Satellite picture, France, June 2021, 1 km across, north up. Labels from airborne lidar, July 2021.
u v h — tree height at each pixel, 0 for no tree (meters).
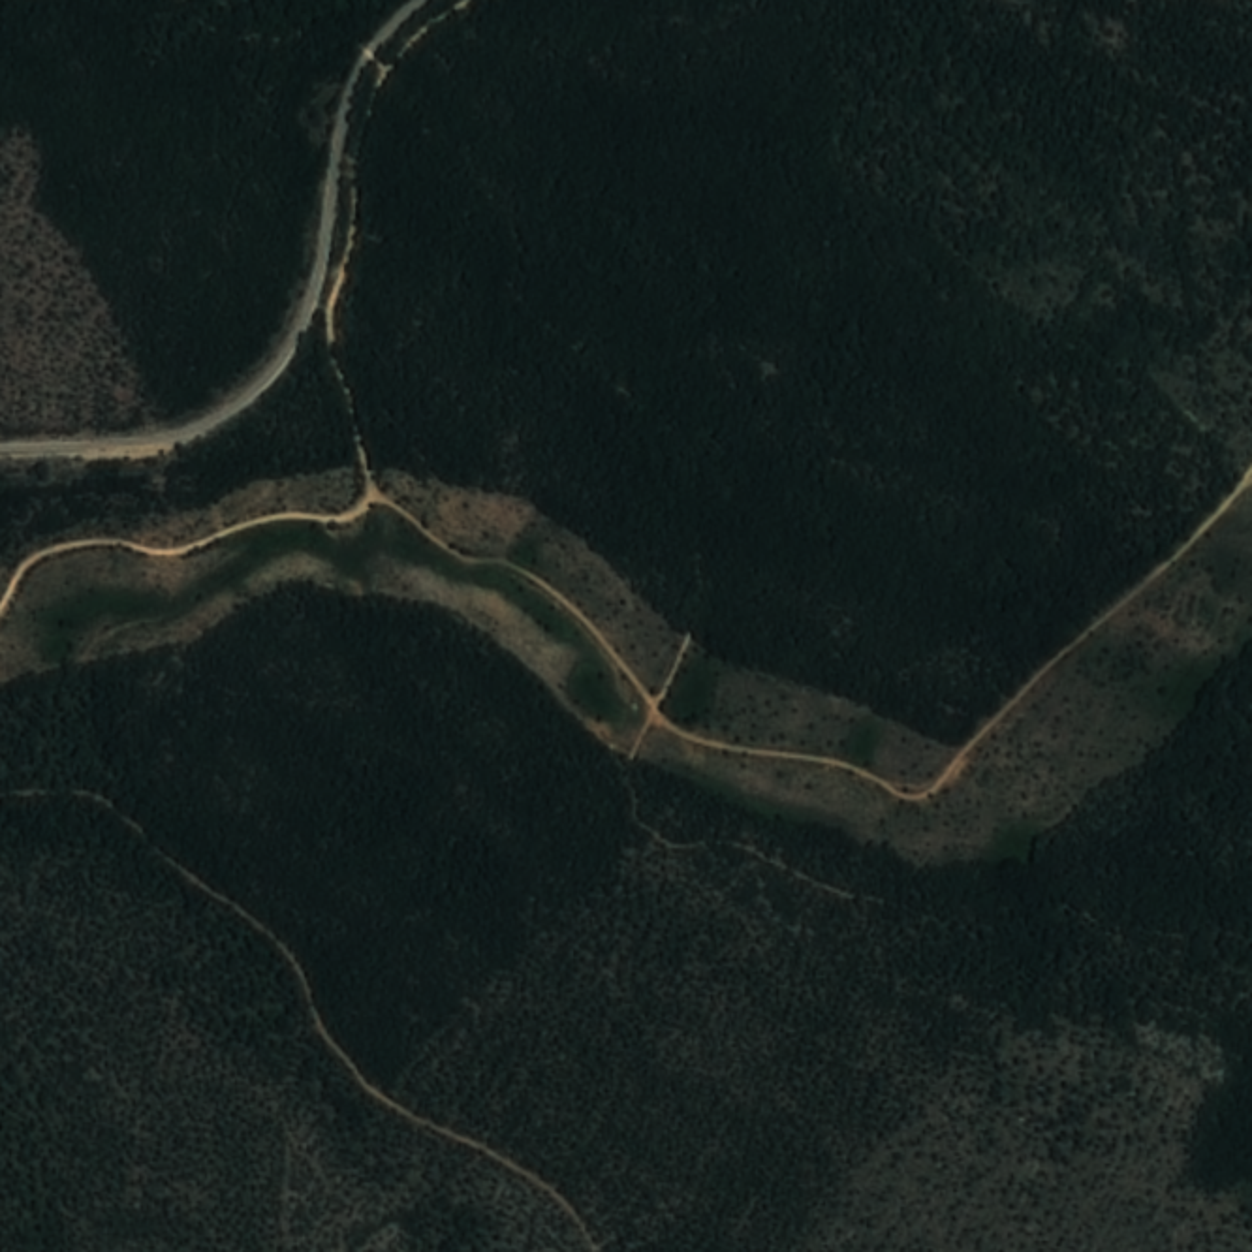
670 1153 9
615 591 0
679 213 10
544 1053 9
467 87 8
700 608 10
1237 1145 19
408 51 7
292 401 6
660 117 12
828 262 10
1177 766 14
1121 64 9
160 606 0
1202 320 6
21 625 0
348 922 6
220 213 7
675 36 10
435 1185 13
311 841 8
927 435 7
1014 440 14
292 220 9
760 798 0
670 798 10
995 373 12
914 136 9
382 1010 6
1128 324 12
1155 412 11
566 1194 7
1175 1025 6
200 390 7
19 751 13
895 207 12
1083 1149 9
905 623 9
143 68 10
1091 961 13
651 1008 8
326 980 6
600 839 6
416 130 11
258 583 0
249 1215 9
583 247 12
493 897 7
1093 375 6
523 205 10
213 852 7
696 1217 8
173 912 11
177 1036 7
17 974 10
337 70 11
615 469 11
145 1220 8
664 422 9
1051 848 12
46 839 10
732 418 15
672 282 9
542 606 0
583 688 0
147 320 6
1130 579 10
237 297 7
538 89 9
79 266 8
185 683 6
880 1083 10
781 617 9
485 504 0
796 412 6
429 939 6
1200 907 14
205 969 11
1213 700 15
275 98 9
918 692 7
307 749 9
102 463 7
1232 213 7
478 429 11
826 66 14
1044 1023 7
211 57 9
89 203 7
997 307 12
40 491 7
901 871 12
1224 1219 8
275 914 6
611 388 11
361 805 10
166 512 7
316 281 0
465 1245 12
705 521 10
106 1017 9
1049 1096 12
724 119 11
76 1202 8
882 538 15
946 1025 7
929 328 14
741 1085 6
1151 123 7
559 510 10
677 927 10
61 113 7
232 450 6
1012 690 9
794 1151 8
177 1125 10
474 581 0
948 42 8
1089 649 0
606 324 10
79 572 0
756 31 9
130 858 11
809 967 9
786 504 12
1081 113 6
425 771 7
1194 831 9
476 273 11
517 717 7
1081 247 7
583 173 11
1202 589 0
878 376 11
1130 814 9
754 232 12
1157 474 10
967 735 11
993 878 14
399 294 7
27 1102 10
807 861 9
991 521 14
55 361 7
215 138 9
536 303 11
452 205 11
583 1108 10
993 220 9
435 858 13
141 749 7
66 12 9
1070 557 10
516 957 9
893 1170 9
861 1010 6
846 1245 7
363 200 12
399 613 8
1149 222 7
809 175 13
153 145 7
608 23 10
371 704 8
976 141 9
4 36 10
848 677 10
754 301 12
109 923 6
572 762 11
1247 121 12
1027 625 15
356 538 0
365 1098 9
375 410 11
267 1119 6
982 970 14
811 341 12
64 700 11
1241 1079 13
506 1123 6
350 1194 7
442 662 7
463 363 7
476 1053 8
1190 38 10
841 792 0
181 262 7
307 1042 11
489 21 10
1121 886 12
